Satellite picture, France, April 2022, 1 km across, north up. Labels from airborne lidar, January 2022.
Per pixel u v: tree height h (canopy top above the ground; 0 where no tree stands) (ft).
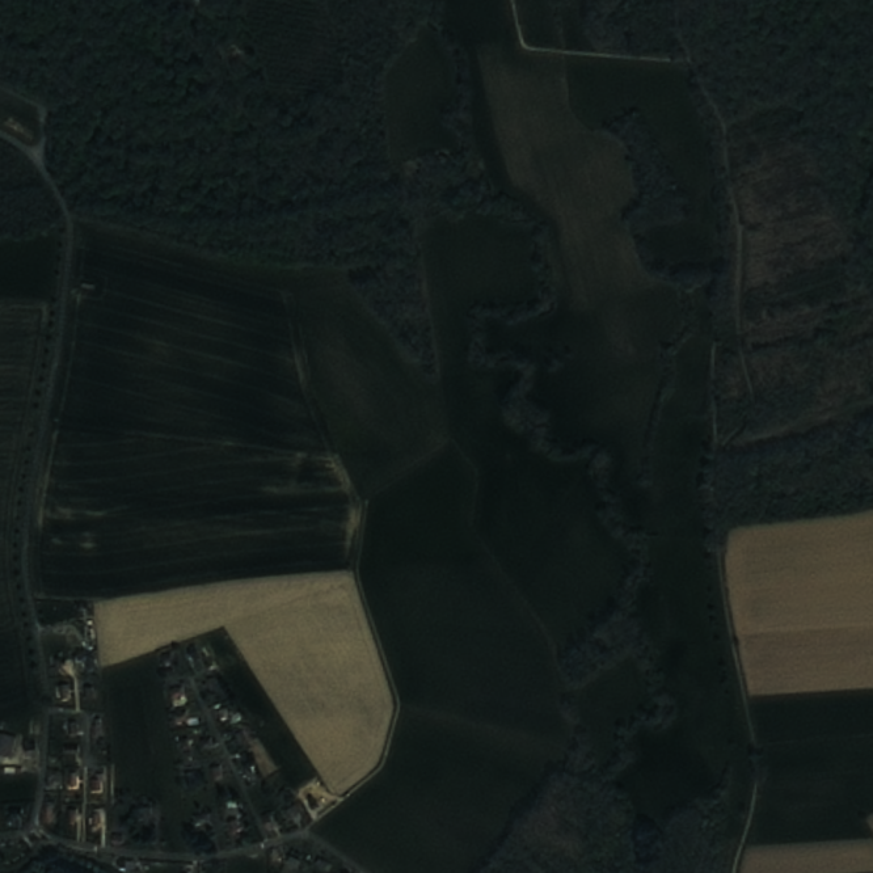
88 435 0
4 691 0
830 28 86
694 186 0
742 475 76
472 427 0
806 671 0
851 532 0
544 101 0
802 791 0
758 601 0
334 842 0
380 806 0
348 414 0
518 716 0
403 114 0
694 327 26
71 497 0
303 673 0
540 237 35
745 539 0
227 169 62
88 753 0
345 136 89
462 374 0
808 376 21
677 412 0
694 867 58
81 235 0
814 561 0
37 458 0
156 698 0
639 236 51
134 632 0
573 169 0
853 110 93
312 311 0
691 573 0
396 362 0
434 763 0
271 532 0
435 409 0
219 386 0
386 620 0
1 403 0
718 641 26
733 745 23
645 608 0
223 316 0
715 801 42
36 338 0
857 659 0
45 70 83
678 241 0
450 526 0
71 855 25
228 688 38
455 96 0
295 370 0
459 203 89
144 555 0
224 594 0
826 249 0
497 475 0
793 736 0
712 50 80
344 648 0
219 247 63
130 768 0
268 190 73
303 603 0
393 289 93
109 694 0
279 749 0
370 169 59
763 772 63
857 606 0
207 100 66
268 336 0
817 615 0
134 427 0
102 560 0
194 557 0
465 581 0
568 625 0
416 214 75
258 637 0
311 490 0
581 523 0
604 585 0
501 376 0
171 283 0
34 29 70
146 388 0
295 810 0
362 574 0
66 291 0
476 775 0
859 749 0
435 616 0
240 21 64
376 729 0
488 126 0
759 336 0
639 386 0
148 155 86
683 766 0
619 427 0
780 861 0
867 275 80
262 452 0
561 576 0
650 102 0
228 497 0
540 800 60
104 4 71
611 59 0
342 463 0
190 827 24
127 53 80
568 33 0
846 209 81
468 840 0
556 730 0
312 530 0
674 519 0
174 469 0
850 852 0
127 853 0
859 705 0
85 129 73
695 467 0
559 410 0
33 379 0
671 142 0
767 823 0
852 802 0
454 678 0
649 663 74
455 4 0
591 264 0
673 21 66
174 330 0
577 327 0
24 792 0
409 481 0
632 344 0
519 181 0
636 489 0
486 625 0
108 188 63
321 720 0
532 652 0
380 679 0
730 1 88
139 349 0
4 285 0
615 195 0
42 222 48
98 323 0
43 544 0
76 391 0
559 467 0
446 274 0
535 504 0
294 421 0
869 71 85
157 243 0
